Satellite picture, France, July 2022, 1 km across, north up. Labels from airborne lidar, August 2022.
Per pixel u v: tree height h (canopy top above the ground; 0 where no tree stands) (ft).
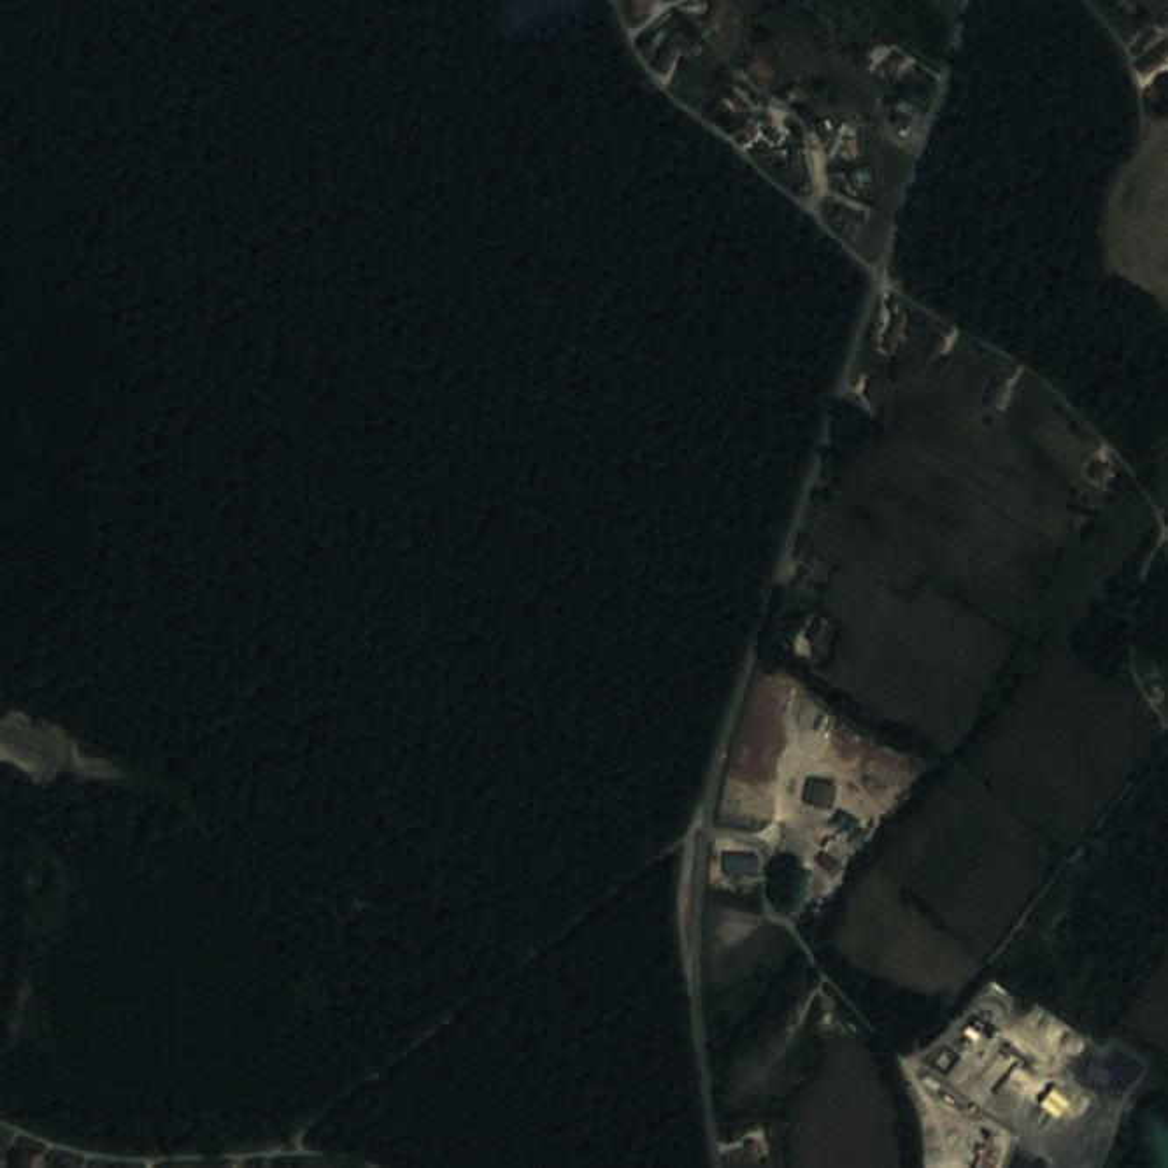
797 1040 0
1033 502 0
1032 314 66
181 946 20
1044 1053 0
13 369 25
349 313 73
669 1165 83
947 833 0
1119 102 67
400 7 59
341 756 64
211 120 72
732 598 55
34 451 27
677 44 0
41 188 23
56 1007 24
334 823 78
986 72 78
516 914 56
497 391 55
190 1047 20
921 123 0
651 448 27
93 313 34
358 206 26
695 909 0
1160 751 33
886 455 0
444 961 77
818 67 0
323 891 66
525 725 73
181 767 91
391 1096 54
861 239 0
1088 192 61
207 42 55
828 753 0
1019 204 70
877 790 0
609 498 62
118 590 24
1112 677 58
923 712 0
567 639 76
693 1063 64
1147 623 50
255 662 81
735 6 0
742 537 44
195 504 50
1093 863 31
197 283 60
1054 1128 0
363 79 62
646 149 71
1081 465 0
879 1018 64
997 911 0
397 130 52
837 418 55
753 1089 0
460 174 60
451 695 56
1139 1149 30
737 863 0
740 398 58
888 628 0
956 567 0
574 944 46
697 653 65
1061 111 68
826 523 0
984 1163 0
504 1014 60
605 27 64
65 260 22
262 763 85
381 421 51
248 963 22
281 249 86
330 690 36
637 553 56
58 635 78
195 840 42
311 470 66
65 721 78
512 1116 54
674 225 70
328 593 70
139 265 73
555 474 76
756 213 64
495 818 77
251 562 79
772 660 45
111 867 69
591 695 66
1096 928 31
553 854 52
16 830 45
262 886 64
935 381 0
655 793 39
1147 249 0
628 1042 77
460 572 56
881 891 0
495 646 62
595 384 70
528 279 75
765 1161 25
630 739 65
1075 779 0
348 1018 66
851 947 0
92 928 20
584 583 61
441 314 82
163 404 65
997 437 0
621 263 63
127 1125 42
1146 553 21
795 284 64
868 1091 0
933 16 23
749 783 0
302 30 48
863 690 0
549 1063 63
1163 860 21
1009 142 74
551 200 63
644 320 36
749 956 0
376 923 64
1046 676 0
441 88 71
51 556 45
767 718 0
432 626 50
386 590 66
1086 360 80
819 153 0
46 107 67
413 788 64
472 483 45
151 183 57
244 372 77
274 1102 20
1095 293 76
